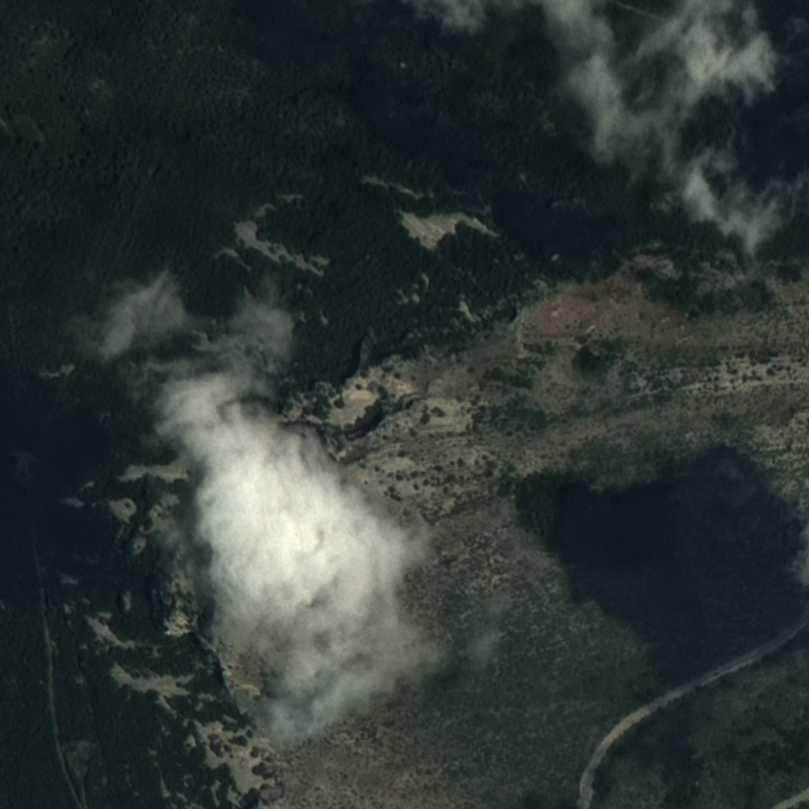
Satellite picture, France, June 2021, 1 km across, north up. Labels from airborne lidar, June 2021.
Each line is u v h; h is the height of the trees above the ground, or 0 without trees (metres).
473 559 0
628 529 11
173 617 0
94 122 9
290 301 5
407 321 8
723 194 12
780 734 6
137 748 7
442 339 6
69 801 6
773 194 14
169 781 6
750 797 7
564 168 10
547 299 0
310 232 8
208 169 13
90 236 13
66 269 10
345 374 9
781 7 15
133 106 15
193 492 7
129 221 10
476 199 7
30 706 7
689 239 12
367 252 9
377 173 9
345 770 0
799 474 0
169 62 7
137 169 13
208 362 7
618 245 12
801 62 11
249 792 7
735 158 7
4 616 7
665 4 13
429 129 7
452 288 6
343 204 9
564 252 9
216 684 6
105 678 5
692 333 0
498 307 0
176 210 11
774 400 0
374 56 7
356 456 0
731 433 0
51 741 7
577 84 15
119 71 7
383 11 11
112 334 6
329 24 8
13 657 7
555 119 12
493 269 6
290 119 6
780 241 13
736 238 12
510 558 0
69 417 7
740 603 0
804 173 14
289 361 7
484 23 13
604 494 7
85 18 13
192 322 7
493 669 10
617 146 14
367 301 6
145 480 7
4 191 11
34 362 7
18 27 7
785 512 0
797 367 0
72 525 6
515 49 13
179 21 8
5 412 7
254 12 9
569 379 0
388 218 11
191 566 0
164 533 7
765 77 14
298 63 11
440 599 0
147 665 6
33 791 7
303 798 0
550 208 14
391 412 0
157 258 9
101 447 7
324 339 8
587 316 0
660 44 10
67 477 8
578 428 0
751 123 14
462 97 9
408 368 0
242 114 9
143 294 7
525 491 7
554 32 13
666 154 12
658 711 7
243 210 10
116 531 5
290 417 0
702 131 8
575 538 10
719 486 0
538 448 0
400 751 0
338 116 11
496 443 0
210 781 6
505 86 9
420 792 0
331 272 10
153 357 7
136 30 7
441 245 9
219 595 0
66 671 8
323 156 10
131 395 6
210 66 9
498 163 7
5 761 11
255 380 5
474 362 0
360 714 0
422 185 9
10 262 9
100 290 6
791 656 0
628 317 0
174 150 13
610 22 12
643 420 0
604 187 11
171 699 7
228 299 8
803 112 13
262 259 8
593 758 0
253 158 9
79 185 13
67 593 10
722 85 17
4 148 12
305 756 0
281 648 0
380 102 8
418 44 8
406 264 9
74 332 8
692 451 0
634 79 14
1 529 8
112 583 7
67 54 11
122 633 6
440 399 0
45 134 5
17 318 5
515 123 9
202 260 12
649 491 11
